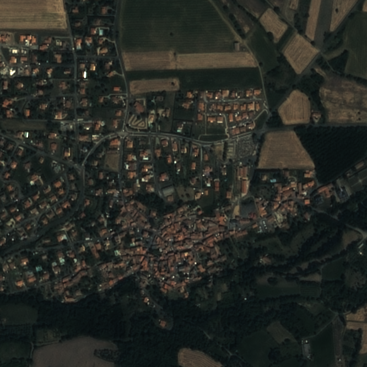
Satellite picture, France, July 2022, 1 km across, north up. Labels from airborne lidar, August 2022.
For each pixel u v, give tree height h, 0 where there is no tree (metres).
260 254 16
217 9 0
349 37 0
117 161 0
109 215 11
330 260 11
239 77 0
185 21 0
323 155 13
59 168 0
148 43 0
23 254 10
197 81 0
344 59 7
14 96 6
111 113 0
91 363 0
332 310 7
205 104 0
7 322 0
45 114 7
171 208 12
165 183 0
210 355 10
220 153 0
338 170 14
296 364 0
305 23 0
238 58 0
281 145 0
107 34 14
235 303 10
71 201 7
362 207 23
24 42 0
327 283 16
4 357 0
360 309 0
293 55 0
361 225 16
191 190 0
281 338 0
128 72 0
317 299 8
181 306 22
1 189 6
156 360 10
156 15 0
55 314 20
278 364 11
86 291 12
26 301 22
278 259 14
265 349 0
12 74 0
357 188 0
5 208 10
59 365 0
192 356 0
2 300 19
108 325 18
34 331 12
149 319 15
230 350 7
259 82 0
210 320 13
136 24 0
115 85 0
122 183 0
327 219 18
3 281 8
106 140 9
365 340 0
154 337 16
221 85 0
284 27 0
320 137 11
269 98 0
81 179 0
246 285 9
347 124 0
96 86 7
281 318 17
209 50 0
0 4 0
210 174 10
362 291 6
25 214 7
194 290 14
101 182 11
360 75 0
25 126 0
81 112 11
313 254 9
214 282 7
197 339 9
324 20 0
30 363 10
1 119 0
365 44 0
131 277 6
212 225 0
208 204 0
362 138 14
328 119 0
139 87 0
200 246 0
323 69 6
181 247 0
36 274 8
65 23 0
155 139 0
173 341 15
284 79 0
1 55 0
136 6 0
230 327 9
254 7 0
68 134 15
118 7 0
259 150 12
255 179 14
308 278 0
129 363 8
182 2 0
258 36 0
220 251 6
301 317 0
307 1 0
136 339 14
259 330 8
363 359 0
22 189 8
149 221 13
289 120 0
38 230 7
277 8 13
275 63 0
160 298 12
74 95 0
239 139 0
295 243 0
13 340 10
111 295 9
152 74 0
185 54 0
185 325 8
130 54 0
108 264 0
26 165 0
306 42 0
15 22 0
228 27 0
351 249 18
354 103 0
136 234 0
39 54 10
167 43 0
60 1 0
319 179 15
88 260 11
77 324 12
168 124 0
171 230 0
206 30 0
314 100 10
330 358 0
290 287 0
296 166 0
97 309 17
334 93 0
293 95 0
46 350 0
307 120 0
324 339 0
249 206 0
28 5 0
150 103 9
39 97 6
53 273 6
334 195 8
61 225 7
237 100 0
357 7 0
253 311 8
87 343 0
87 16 8
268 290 0
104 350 7
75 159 10
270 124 7
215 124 0
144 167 0
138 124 0
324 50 0
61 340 8
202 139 0
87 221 7
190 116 0
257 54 0
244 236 0
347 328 0
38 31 0
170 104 0
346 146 18
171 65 0
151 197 13
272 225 7
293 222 11
